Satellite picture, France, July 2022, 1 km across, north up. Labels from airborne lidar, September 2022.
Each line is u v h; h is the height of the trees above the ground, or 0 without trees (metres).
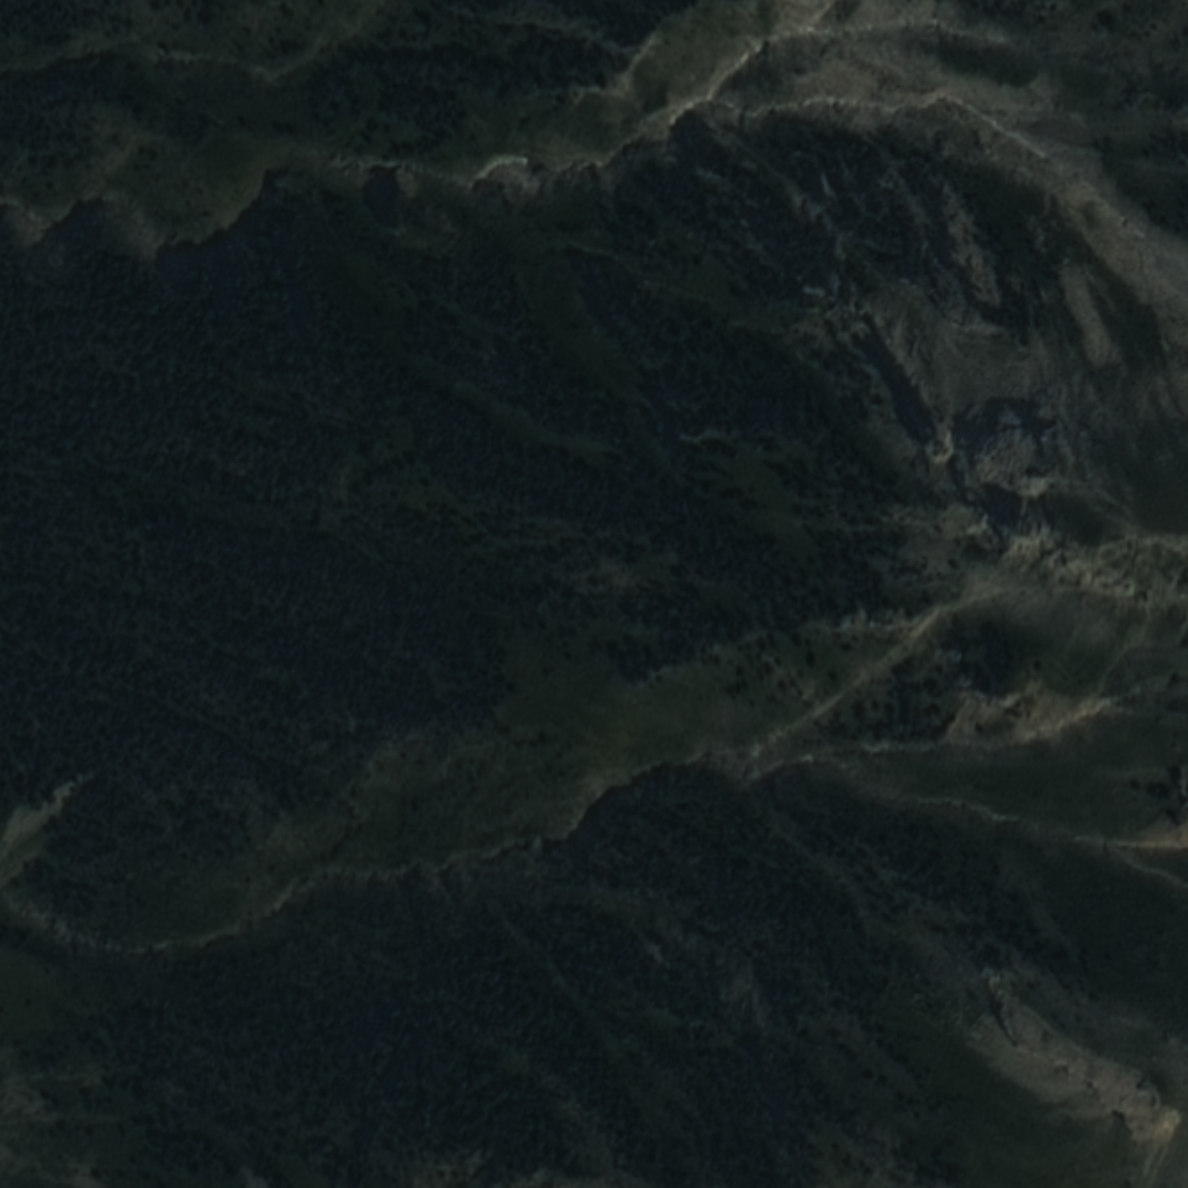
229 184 0
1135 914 0
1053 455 0
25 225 0
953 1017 0
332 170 0
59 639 11
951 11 0
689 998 11
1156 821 0
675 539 11
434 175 0
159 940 0
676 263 16
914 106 0
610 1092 9
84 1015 0
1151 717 0
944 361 0
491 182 0
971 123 0
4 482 10
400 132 0
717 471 13
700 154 6
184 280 22
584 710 0
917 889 9
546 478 12
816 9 0
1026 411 0
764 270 14
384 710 8
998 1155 0
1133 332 0
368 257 0
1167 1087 0
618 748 0
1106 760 0
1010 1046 0
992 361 0
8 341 18
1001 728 0
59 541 12
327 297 10
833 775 0
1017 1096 0
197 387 15
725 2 0
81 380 8
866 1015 11
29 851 0
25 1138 0
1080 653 0
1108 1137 0
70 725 19
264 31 0
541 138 0
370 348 8
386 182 0
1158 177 0
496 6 12
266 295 9
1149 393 0
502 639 0
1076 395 0
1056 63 0
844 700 0
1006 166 0
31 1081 0
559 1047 12
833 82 0
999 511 0
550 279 0
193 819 10
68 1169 0
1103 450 0
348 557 6
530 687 0
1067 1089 0
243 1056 8
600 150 0
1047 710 0
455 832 0
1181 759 0
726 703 0
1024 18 12
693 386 15
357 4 0
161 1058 10
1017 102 0
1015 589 0
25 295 18
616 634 0
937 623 0
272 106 0
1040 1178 0
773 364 6
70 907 6
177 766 10
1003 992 0
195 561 16
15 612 11
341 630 6
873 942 6
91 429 11
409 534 10
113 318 12
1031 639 0
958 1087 0
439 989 13
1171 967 0
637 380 0
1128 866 0
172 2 6
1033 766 0
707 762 0
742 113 0
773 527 0
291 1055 9
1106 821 0
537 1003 13
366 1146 10
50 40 8
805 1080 9
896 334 0
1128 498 0
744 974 0
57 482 8
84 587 7
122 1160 0
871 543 10
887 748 0
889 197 8
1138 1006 0
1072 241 0
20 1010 0
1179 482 0
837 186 6
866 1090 0
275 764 10
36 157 10
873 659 0
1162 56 0
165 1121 10
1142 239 0
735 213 7
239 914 0
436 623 8
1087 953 6
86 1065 0
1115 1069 0
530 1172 8
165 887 0
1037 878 0
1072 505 0
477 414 17
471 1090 7
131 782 7
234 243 19
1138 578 0
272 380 13
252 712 9
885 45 0
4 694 13
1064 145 0
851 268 6
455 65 13
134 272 13
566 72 10
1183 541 0
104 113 0
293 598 12
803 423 13
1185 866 0
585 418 11
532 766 0
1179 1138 0
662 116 0
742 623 8
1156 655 0
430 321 9
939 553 0
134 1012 7
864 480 6
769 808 0
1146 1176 0
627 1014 8
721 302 0
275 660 13
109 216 0
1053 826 0
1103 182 0
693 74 0
